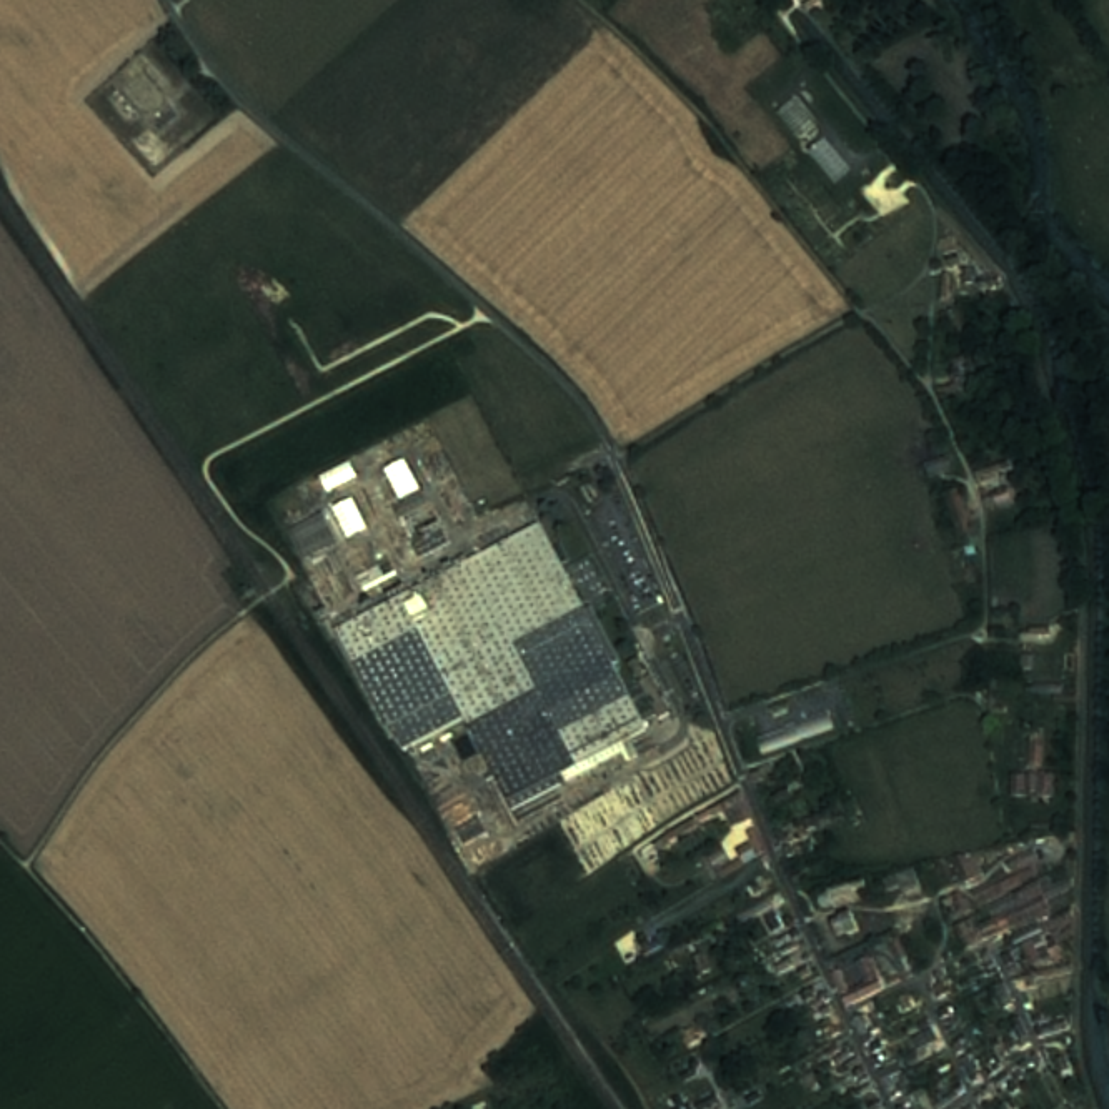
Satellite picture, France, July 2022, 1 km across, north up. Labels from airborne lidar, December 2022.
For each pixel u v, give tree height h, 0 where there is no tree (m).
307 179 0
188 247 0
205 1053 0
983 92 11
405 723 0
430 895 0
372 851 0
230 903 0
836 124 0
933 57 0
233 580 0
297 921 0
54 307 0
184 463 0
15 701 0
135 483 0
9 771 0
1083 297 17
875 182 0
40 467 0
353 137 0
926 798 0
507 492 0
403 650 0
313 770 0
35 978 0
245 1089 0
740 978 9
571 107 0
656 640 0
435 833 0
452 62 0
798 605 0
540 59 0
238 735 0
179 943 0
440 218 0
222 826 0
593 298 0
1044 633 0
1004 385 20
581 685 0
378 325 0
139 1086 0
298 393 0
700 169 0
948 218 0
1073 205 0
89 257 0
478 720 0
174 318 0
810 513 0
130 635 0
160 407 0
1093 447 21
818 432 0
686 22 0
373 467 0
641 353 0
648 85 0
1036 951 0
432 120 0
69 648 0
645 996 13
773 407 0
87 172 0
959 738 0
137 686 0
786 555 0
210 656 0
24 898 0
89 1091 0
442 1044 0
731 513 0
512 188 0
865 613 0
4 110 0
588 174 0
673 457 0
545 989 0
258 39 0
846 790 7
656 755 0
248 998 0
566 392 0
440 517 0
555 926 0
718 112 0
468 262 0
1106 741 10
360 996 0
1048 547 0
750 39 0
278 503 0
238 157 0
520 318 0
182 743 0
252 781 0
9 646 0
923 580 0
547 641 0
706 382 0
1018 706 0
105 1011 0
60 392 0
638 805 0
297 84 0
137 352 0
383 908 0
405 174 0
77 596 0
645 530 0
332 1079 0
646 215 0
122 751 0
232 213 0
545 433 0
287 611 0
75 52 0
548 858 0
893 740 0
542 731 0
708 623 0
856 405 0
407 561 0
